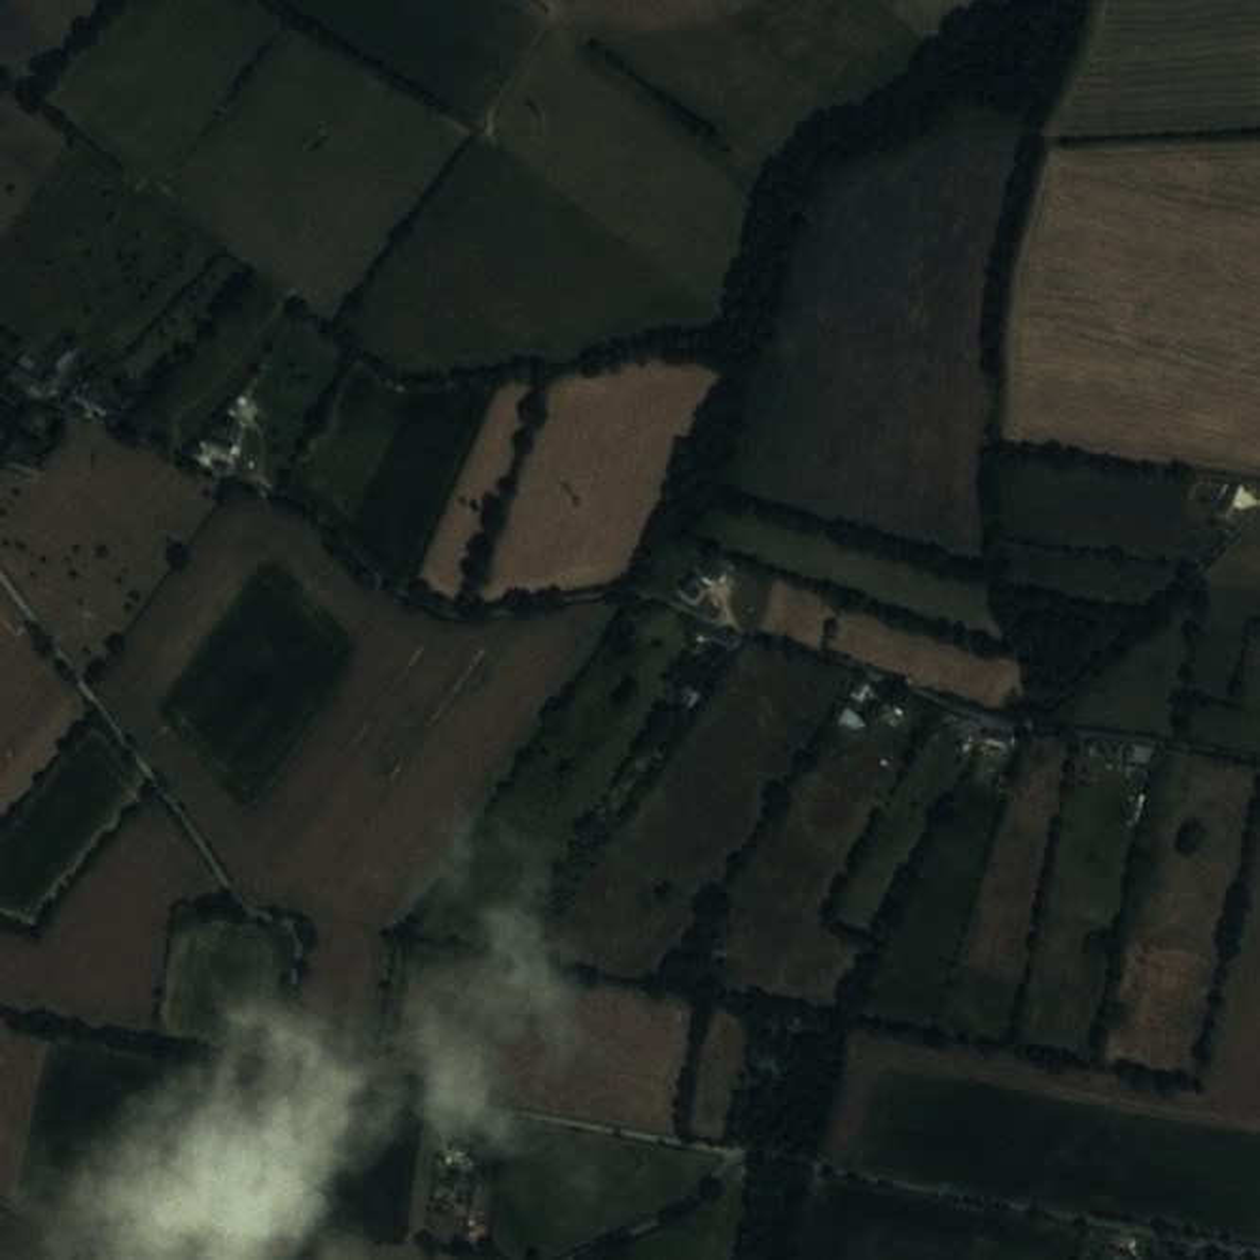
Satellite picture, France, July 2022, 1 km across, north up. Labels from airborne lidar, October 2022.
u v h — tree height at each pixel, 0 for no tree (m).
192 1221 0
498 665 0
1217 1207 0
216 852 9
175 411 0
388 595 12
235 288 18
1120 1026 0
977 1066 0
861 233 0
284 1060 0
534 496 0
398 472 0
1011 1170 0
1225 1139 0
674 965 15
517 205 0
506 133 0
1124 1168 0
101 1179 0
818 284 0
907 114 21
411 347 0
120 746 12
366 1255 0
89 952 0
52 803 0
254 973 0
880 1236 0
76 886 8
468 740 0
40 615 0
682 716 12
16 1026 12
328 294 0
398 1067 0
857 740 0
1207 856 0
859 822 0
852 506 0
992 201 0
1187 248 0
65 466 0
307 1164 0
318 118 0
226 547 0
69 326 0
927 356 0
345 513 0
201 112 0
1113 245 0
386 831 0
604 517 0
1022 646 14
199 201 0
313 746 0
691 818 0
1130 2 0
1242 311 0
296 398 0
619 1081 0
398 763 0
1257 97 0
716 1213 0
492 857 0
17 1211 0
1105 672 16
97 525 0
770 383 0
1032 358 0
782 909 0
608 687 0
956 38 24
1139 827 6
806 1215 8
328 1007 0
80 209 0
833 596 13
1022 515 0
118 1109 0
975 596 0
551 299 0
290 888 0
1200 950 0
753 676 0
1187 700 16
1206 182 0
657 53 0
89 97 0
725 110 0
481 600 11
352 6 0
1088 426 0
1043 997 0
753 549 0
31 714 0
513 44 0
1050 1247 0
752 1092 8
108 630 0
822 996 0
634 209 0
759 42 0
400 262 0
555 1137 0
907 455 0
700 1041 11
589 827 13
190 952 0
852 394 0
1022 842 0
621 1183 0
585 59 0
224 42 0
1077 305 0
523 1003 0
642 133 0
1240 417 0
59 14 0
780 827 0
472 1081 0
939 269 0
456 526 0
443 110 11
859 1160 0
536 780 0
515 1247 0
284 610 0
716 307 0
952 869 0
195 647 0
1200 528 0
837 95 0
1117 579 0
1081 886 0
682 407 0
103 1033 11
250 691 0
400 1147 0
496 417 0
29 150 0
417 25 0
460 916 0
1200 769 0
